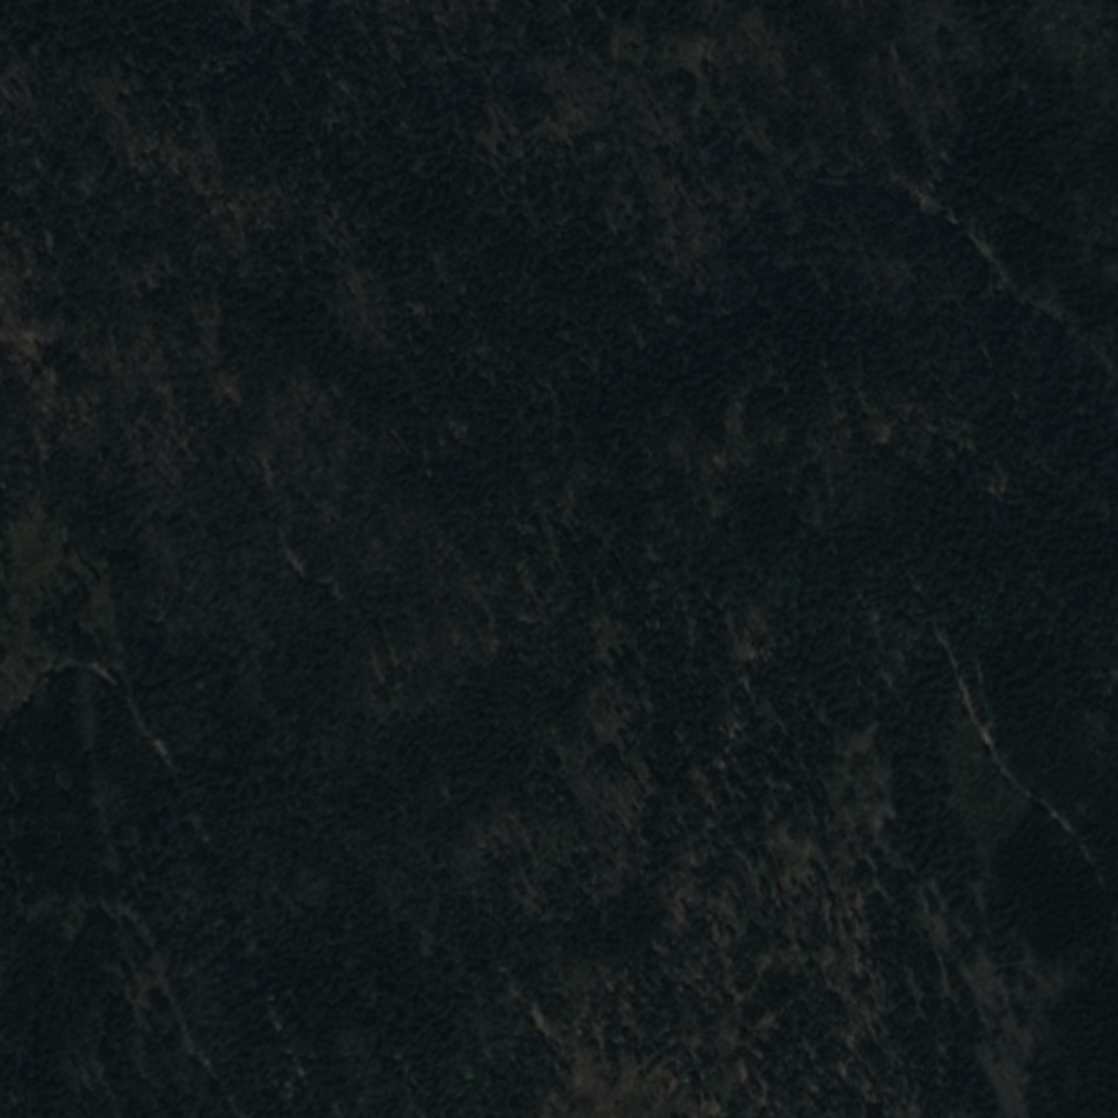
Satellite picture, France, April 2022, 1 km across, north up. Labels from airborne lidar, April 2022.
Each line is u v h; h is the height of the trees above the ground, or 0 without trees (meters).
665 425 24
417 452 25
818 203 33
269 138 30
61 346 20
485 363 29
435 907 22
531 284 31
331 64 39
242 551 18
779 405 25
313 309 26
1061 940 20
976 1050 20
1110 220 18
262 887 23
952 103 21
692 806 26
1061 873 21
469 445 26
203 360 31
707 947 34
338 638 26
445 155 35
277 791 30
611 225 25
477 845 17
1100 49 19
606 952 27
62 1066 29
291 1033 24
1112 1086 10
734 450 23
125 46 24
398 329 17
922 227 31
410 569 19
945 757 15
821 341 30
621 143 32
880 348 26
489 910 20
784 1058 29
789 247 31
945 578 28
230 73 30
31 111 28
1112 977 12
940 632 17
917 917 24
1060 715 15
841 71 23
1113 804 15
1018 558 27
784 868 21
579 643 32
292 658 27
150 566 28
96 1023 25
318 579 19
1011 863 19
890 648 35
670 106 32
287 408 21
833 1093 28
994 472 29
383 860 23
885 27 29
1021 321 35
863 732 28
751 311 28
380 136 31
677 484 28
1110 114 22
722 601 33
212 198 27
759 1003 8
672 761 33
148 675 36
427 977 23
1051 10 20
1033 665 23
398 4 29
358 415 21
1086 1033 11
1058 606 33
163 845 31
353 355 25
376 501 22
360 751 20
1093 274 25
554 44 29
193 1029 23
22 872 12
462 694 22
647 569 33
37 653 16
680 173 29
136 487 32
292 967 28
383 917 24
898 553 35
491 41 19
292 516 19
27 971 24
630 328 33
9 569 28
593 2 30
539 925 17
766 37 24
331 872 25
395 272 25
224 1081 22
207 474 25
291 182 29
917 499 30
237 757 27
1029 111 27
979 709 13
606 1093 38
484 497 30
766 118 26
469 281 28
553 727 27
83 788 22
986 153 30
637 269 32
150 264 28
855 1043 6
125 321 26
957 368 31
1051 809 11
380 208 28
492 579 22
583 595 34
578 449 25
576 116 30
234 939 29
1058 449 32
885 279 30
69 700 20
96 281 23
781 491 25
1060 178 24
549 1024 18
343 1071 20
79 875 11
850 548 27
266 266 26
